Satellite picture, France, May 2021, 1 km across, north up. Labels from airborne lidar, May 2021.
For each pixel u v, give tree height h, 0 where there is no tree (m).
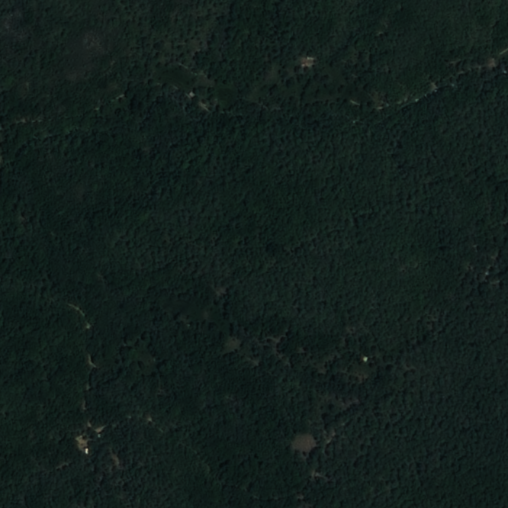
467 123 14
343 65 14
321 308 22
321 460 24
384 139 18
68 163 11
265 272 13
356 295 14
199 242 14
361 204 18
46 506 16
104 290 21
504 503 15
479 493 11
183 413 20
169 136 18
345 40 20
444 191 19
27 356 14
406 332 15
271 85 0
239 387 7
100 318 21
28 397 20
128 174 15
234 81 16
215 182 20
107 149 14
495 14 16
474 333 19
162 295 21
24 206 8
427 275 13
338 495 18
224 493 22
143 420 14
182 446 15
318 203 17
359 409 17
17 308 12
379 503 23
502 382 28
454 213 19
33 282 18
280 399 19
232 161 13
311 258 17
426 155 16
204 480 17
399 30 16
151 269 15
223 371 13
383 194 17
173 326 19
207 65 20
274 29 18
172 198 15
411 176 23
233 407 16
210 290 26
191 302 13
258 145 16
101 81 8
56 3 19
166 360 17
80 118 11
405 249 14
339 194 22
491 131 20
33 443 14
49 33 14
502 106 17
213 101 13
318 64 6
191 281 24
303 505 16
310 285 20
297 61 18
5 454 10
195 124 15
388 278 15
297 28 16
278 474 19
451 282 17
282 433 18
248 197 12
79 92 10
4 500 18
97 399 14
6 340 8
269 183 15
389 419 14
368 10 17
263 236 13
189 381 27
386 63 17
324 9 10
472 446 21
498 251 17
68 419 15
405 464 15
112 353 17
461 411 25
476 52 17
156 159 20
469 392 25
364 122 16
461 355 25
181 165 15
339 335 21
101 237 17
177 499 12
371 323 24
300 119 22
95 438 21
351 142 18
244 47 18
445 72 13
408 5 16
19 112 12
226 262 11
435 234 24
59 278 24
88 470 16
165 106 18
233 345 0
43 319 14
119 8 23
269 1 18
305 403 13
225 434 20
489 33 16
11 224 18
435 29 22
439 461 24
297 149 16
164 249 11
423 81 9
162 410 24
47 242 16
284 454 21
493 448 17
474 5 20
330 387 23
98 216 19
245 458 26
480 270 23
